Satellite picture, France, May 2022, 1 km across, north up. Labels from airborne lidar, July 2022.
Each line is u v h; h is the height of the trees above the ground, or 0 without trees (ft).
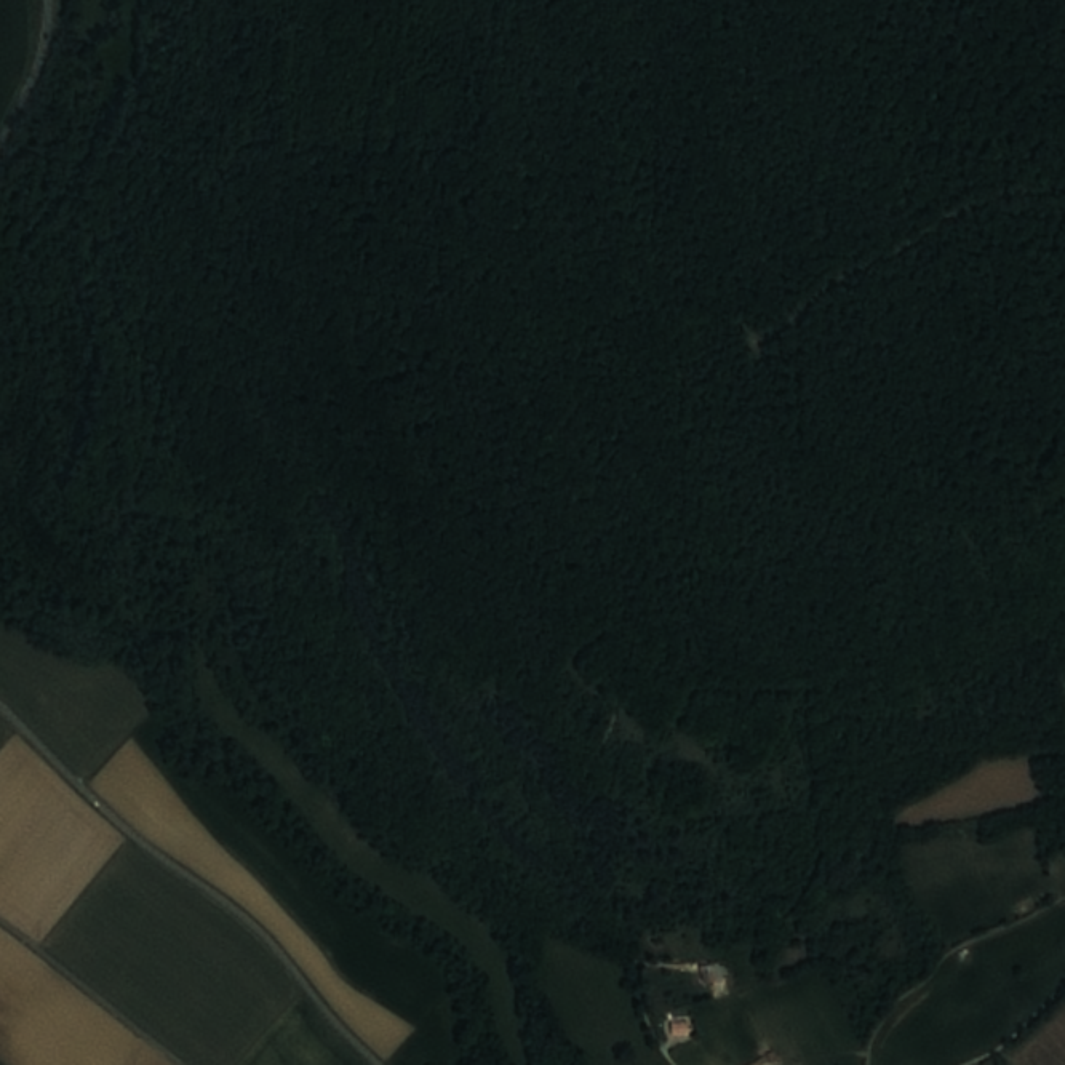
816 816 29
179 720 76
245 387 48
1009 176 54
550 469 59
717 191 45
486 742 31
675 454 56
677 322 58
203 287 66
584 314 53
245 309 66
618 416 58
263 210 72
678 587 32
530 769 42
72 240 41
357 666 65
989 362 37
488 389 68
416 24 28
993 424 54
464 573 70
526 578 55
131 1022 0
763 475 29
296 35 36
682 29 57
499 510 70
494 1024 31
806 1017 0
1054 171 40
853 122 35
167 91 38
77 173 61
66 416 34
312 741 71
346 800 93
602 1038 0
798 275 57
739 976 0
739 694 35
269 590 70
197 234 62
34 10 0
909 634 48
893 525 50
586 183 66
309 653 68
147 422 31
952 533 36
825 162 40
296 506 53
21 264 36
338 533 31
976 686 39
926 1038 0
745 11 57
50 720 0
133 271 71
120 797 0
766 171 32
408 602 60
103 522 39
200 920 0
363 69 30
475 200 69
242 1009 0
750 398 55
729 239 40
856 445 38
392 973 0
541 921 59
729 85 50
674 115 59
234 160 31
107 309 41
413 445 65
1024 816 51
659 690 48
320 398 66
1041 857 36
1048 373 50
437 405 66
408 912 22
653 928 23
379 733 63
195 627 58
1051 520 34
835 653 43
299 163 67
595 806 31
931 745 37
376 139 55
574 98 56
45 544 36
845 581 54
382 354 84
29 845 0
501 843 36
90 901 0
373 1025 0
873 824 39
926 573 40
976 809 0
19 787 0
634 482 61
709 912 19
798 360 54
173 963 0
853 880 59
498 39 62
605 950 68
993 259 47
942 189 47
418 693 42
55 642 81
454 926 0
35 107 70
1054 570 49
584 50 62
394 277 64
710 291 55
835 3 53
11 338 31
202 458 79
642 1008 38
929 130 59
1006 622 49
